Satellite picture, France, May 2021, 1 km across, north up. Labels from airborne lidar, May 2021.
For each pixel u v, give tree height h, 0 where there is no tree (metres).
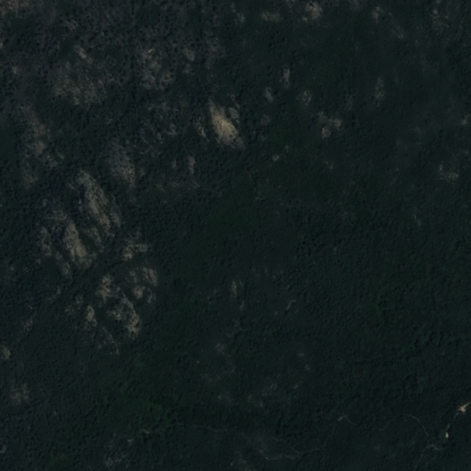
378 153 6
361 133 15
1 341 12
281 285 12
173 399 16
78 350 11
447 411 8
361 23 6
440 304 14
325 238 17
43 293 9
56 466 8
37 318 13
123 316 6
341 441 9
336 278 16
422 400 12
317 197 7
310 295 14
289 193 15
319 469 13
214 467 9
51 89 12
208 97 7
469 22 6
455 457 7
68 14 16
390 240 7
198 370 6
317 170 8
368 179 8
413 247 11
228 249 13
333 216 11
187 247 6
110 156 12
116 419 8
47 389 14
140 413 7
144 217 13
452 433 6
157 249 14
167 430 9
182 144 12
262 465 10
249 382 10
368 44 7
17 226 13
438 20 8
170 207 9
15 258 13
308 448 15
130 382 7
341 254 16
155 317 6
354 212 6
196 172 11
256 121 14
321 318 13
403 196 11
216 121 0
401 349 16
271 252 8
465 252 15
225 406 6
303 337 10
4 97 14
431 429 9
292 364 10
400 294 7
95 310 6
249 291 14
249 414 14
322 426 9
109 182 20
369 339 6
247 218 7
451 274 11
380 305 12
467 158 15
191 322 9
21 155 11
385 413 11
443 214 6
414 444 7
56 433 16
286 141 7
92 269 12
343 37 7
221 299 11
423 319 10
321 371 7
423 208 8
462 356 8
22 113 9
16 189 10
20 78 13
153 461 6
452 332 12
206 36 15
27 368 16
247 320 18
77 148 17
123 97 17
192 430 8
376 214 9
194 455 5
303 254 6
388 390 16
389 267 6
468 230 7
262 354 5
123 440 10
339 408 15
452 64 14
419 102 6
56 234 12
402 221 13
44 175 7
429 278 11
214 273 6
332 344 18
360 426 11
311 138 6
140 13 6
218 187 13
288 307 8
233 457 7
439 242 8
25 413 16
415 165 9
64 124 14
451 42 6
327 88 6
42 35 15
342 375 12
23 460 11
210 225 7
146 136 9
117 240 19
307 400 8
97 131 14
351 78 6
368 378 19
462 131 7
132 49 17
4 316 11
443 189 6
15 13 9
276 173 6
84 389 13
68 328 13
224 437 6
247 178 6
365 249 12
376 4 7
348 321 15
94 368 5
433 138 6
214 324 5
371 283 7
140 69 8
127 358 9
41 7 17
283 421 21
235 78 12
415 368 7
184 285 15
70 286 16
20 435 17
